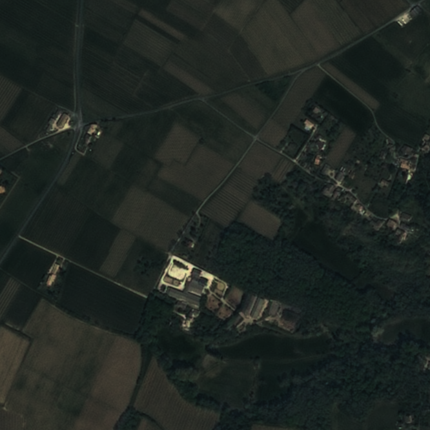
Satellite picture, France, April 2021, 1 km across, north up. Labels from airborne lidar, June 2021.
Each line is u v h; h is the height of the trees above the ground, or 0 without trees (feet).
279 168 0
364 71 0
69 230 0
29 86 0
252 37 0
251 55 0
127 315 0
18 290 0
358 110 0
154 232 0
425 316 77
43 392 0
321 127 21
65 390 0
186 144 0
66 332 0
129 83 0
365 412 53
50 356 0
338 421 0
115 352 0
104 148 0
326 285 85
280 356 0
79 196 0
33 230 0
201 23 0
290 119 0
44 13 0
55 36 0
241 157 0
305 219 0
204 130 0
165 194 0
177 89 0
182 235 51
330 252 0
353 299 84
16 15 0
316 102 23
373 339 52
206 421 0
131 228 0
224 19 0
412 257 60
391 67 0
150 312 55
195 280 0
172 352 0
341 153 0
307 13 0
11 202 0
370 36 0
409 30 0
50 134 0
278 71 0
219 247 33
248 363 0
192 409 0
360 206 0
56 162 0
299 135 0
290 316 0
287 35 0
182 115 0
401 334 0
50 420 0
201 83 0
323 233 0
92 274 0
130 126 0
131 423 48
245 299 39
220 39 0
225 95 0
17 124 0
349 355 68
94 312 0
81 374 0
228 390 0
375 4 0
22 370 0
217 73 0
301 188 57
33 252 0
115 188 0
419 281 45
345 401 51
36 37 0
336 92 0
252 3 0
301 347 0
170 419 0
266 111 0
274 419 25
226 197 0
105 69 0
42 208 0
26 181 0
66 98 0
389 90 0
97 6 0
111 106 0
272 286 64
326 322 56
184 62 0
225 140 0
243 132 0
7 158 0
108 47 0
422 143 20
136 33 0
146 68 0
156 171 0
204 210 0
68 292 0
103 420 0
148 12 0
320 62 0
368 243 33
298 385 45
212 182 0
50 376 0
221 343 54
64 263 24
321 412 49
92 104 0
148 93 0
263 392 0
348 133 0
